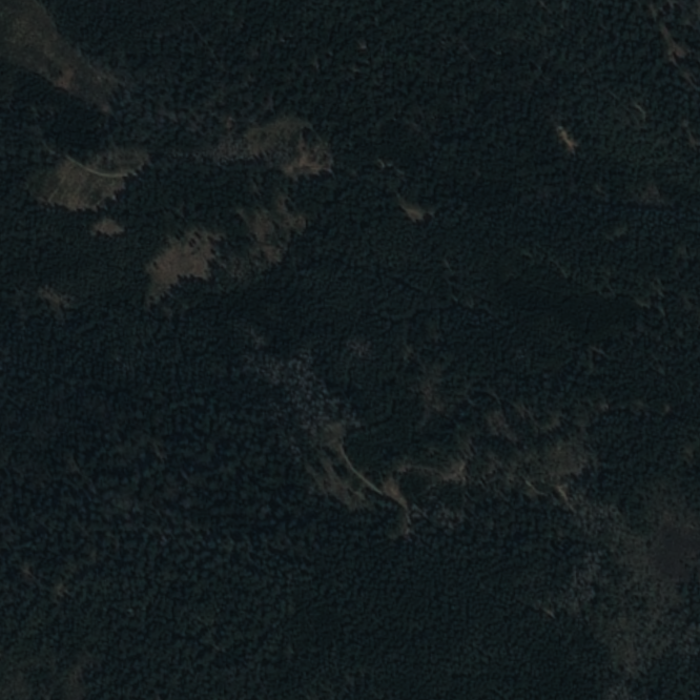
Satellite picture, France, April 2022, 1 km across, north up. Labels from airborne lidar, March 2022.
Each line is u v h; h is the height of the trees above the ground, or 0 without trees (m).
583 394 24
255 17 21
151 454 13
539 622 25
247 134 23
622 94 22
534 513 7
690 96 15
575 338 12
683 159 10
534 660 21
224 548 30
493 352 26
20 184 28
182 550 15
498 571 26
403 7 16
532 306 17
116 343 20
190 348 29
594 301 14
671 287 21
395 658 26
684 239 24
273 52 12
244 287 24
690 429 24
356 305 26
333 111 14
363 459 13
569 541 7
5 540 30
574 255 24
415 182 14
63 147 17
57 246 26
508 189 22
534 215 24
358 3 25
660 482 17
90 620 24
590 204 21
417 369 14
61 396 23
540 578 25
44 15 0
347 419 23
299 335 28
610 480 25
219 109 11
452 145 20
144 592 25
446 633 25
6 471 13
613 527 28
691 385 19
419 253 23
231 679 17
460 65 20
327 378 20
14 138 15
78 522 32
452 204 25
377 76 22
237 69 26
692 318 23
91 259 19
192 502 29
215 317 23
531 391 23
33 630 27
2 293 27
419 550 24
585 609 29
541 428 23
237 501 17
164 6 20
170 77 26
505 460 27
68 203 0
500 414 25
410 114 29
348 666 24
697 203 15
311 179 18
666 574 0
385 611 23
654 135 20
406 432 14
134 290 23
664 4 20
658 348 22
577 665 28
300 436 21
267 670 24
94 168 20
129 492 35
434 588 27
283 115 27
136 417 15
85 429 20
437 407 13
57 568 12
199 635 32
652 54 24
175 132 28
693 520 10
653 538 11
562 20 15
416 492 9
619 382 25
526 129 30
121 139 23
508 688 26
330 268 27
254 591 21
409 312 31
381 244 17
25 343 27
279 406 21
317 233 22
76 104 6
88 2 24
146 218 38
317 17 28
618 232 22
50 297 30
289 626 17
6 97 10
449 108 9
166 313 17
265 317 12
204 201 37
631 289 20
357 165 20
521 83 24
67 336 29
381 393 31
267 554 33
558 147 15
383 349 28
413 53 24
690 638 23
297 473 25
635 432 25
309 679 19
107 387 26
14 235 28
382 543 29
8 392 17
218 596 16
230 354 24
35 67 0
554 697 26
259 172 35
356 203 22
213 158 18
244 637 21
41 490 21
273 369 31
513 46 20
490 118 22
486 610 28
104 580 25
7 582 12
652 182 9
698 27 27
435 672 25
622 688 27
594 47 14
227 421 36
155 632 27
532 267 16
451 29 25
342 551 30
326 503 25
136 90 29
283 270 23
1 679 12
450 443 18
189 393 14
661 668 12
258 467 33
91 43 22
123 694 21
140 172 0
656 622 14
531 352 24
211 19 15
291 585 35
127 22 21
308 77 22
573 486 22
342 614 27
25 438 23
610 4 26
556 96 19
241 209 30
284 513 33
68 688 15
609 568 16
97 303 27
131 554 26
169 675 26
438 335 7
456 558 31
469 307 21
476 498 8
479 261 20
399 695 23
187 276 0
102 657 24
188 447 37
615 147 14
